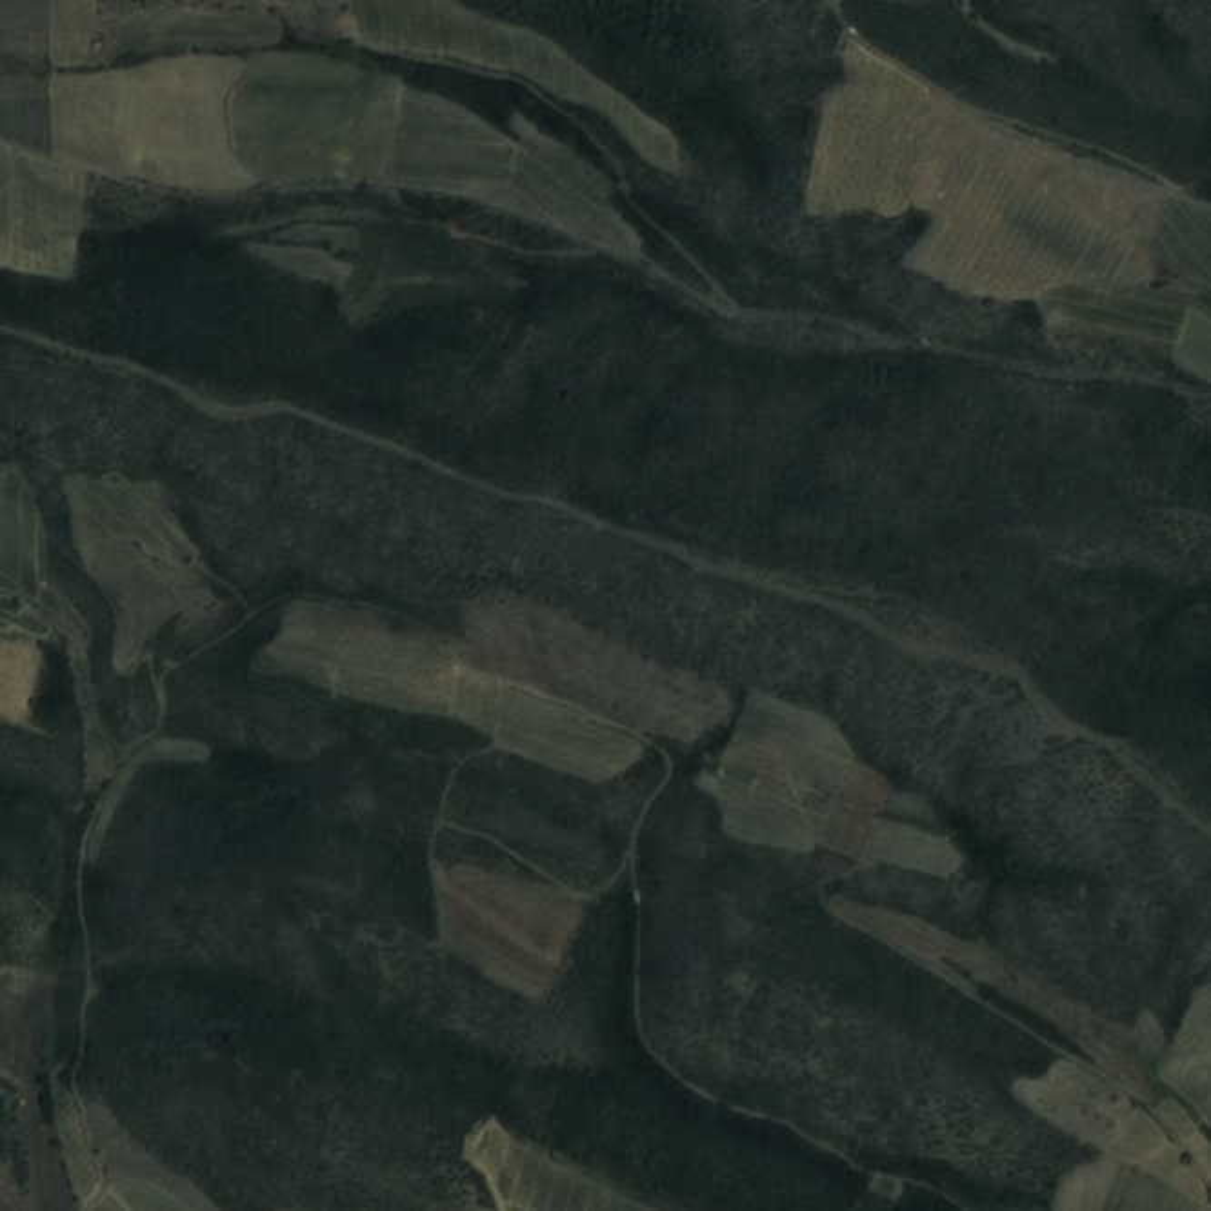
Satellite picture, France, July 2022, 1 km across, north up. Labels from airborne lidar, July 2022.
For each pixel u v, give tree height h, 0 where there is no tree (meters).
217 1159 0
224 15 0
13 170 0
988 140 0
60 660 7
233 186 0
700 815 0
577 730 0
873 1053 0
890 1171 7
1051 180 0
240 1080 0
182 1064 0
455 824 0
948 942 0
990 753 0
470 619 0
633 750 0
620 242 0
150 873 0
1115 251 0
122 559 0
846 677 0
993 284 0
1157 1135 0
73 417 0
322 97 0
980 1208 6
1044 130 0
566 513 0
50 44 0
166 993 0
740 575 0
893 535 6
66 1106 0
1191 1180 0
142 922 0
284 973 0
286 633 0
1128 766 0
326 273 0
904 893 0
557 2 6
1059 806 0
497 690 0
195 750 0
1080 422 0
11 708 0
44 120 0
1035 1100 0
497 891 0
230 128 0
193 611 0
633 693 0
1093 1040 0
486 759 0
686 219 6
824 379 6
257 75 0
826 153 0
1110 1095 0
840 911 0
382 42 0
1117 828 0
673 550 0
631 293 7
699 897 0
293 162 0
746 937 0
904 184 0
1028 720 0
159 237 7
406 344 6
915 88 0
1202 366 0
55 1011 7
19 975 0
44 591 0
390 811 0
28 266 0
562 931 0
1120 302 0
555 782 0
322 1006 0
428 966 0
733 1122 7
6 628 0
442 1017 0
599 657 0
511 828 0
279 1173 0
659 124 0
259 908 0
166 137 0
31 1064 0
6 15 0
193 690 0
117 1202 0
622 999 8
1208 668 5
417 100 0
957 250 0
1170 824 0
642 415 6
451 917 0
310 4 0
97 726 0
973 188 0
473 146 0
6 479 0
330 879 0
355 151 0
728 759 0
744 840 0
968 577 7
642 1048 7
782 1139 7
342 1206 0
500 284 0
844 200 0
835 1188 6
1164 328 0
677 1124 5
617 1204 0
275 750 0
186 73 0
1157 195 0
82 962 0
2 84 0
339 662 0
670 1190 8
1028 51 0
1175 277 0
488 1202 6
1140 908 0
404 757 0
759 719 0
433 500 0
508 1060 7
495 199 0
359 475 0
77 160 0
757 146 6
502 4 10
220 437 6
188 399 0
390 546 0
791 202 0
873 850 0
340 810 0
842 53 0
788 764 0
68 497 0
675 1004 0
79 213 0
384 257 0
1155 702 6
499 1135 0
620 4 14
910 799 0
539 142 0
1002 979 0
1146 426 6
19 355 0
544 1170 0
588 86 0
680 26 6
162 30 0
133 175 0
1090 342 0
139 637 0
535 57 0
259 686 0
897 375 12
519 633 0
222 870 0
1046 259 0
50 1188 0
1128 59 0
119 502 0
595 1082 7
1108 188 0
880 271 0
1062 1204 0
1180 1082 0
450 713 0
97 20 0
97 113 0
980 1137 0
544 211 0
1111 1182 0
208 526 0
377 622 0
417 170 0
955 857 0
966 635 0
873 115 0
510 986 0
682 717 0
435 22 0
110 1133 0
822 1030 0
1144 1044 0
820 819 0
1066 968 0
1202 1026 0
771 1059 0
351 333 5
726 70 9
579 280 6
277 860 0
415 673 0
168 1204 0
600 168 6
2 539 0
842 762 0
